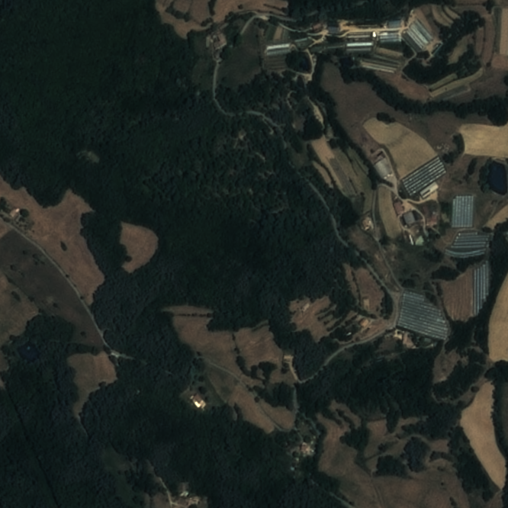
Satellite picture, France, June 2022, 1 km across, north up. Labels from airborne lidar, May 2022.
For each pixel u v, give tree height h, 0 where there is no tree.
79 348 17
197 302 15
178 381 17
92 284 0
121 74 19
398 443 0
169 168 21
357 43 0
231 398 0
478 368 7
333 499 13
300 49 8
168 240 12
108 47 15
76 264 0
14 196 0
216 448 17
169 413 14
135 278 14
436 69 13
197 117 12
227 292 20
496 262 12
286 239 24
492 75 0
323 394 23
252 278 18
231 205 12
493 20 0
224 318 12
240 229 13
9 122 15
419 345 7
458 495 0
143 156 12
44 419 16
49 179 16
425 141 0
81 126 16
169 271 18
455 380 11
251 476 17
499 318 0
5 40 16
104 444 21
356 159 0
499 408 18
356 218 11
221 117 14
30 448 16
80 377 0
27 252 10
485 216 0
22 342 17
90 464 18
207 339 0
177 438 13
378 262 0
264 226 34
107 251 13
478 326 17
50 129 8
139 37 15
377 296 0
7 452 21
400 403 12
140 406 17
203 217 23
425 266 0
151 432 17
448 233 0
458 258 10
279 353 0
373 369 11
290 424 0
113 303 19
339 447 0
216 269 16
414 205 0
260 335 0
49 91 13
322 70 14
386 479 0
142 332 12
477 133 0
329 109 12
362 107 0
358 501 0
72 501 11
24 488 16
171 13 7
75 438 20
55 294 0
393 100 29
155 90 9
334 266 9
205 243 15
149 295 21
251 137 12
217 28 14
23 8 18
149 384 17
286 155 11
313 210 11
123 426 13
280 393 10
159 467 16
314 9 16
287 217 28
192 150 16
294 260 30
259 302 21
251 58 0
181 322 0
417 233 0
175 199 22
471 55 7
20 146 15
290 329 14
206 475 11
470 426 0
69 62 15
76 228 0
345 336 6
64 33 12
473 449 9
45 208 10
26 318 0
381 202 0
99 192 11
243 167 14
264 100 11
